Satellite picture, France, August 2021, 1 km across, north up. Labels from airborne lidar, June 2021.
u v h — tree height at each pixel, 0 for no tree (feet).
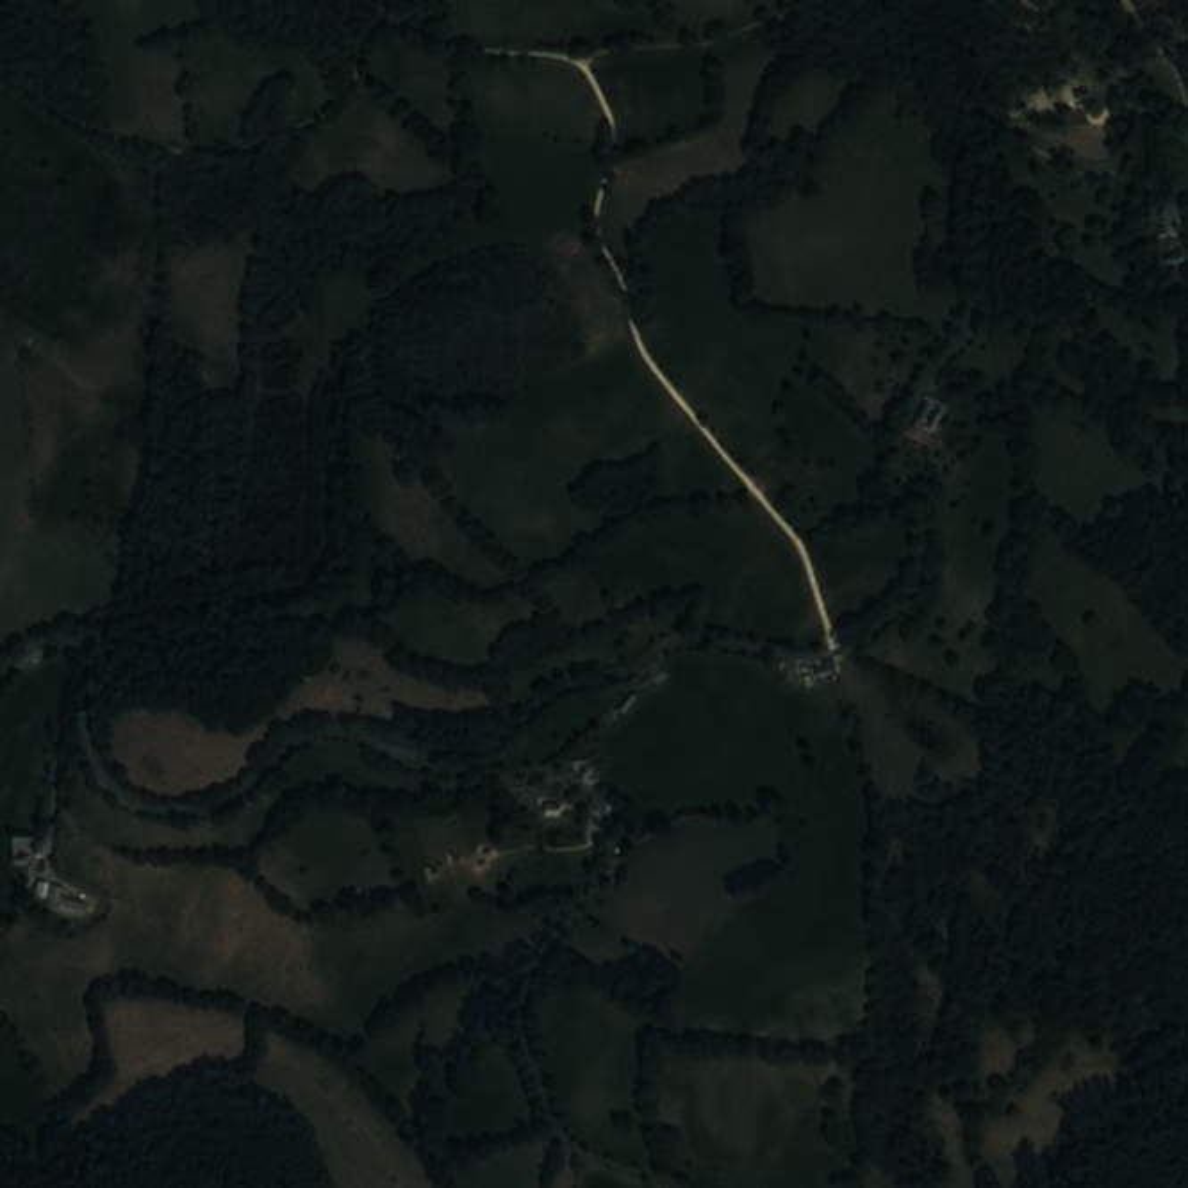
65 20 73
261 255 50
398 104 52
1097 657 0
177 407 65
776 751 0
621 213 0
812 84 0
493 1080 0
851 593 0
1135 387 72
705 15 0
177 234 43
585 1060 0
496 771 35
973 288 84
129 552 67
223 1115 75
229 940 0
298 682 79
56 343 0
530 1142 67
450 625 0
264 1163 81
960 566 0
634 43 47
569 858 0
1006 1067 0
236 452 48
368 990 0
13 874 0
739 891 60
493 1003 71
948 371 34
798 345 0
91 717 59
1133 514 84
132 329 0
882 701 0
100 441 0
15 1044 36
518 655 55
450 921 0
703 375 0
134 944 0
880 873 56
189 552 70
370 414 83
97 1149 64
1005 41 68
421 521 0
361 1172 0
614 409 0
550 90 0
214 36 48
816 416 0
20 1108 0
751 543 0
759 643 48
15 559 0
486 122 0
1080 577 0
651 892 0
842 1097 62
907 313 0
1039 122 63
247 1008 40
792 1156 0
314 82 0
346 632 67
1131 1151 80
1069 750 86
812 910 0
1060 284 96
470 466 0
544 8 0
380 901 54
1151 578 93
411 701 0
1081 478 0
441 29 69
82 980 0
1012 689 59
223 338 0
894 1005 73
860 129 0
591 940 0
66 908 0
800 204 0
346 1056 55
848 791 0
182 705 59
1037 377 67
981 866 55
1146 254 40
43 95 39
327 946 0
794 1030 0
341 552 68
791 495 44
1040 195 33
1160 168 68
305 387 0
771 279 0
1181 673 0
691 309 0
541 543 0
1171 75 0
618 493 60
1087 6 23
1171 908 77
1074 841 65
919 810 57
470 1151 55
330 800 82
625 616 41
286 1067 0
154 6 0
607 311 0
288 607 74
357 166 0
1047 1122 0
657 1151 67
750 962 0
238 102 0
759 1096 0
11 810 0
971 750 0
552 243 0
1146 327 25
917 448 18
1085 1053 0
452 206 64
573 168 0
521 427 0
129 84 0
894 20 79
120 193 0
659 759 0
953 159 37
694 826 0
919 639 59
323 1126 0
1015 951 55
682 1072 0
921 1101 24
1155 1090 95
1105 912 68
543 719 59
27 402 0
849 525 65
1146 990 58
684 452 0
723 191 62
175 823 53
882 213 0
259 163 60
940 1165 45
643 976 57
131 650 71
